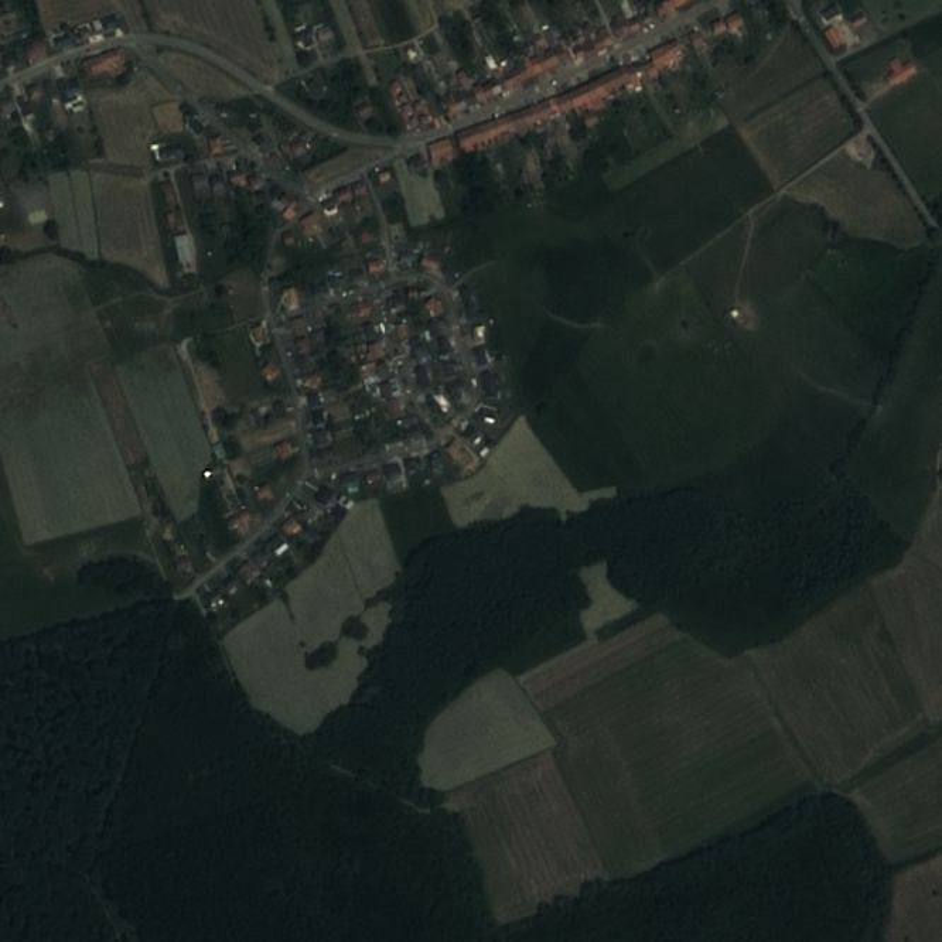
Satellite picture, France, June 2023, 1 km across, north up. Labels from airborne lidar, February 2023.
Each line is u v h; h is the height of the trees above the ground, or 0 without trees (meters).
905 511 0
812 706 0
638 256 0
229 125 0
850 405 0
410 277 0
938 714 0
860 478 0
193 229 0
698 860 17
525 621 26
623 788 0
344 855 7
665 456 0
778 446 0
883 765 0
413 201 0
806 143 0
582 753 0
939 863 0
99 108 0
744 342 0
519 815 0
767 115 0
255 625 0
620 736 0
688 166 0
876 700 0
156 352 0
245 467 0
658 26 0
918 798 0
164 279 0
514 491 0
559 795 0
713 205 0
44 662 26
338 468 0
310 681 0
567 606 23
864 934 16
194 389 0
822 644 0
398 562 0
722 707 0
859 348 0
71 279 0
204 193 0
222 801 14
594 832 0
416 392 0
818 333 0
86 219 0
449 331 0
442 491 0
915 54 0
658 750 0
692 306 0
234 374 0
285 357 0
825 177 0
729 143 0
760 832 15
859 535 23
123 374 0
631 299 0
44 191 0
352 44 0
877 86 0
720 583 0
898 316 0
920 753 0
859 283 0
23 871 27
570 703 0
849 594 0
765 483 0
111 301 0
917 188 0
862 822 18
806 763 0
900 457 0
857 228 0
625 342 0
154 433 0
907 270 0
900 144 0
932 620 0
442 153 0
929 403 0
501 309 0
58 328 0
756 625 0
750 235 0
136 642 27
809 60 0
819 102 0
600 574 0
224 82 0
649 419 0
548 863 0
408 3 0
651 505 17
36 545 0
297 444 0
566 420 0
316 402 0
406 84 0
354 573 0
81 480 0
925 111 0
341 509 0
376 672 15
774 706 0
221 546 0
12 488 0
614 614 0
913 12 0
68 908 31
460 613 27
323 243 0
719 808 0
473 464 0
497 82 0
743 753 0
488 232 0
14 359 0
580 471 0
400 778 18
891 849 0
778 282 0
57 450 0
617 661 0
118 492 0
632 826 0
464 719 0
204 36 0
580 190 0
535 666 0
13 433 0
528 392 0
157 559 0
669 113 0
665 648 0
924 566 0
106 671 27
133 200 0
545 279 0
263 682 0
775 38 0
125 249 0
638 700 0
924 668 0
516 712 0
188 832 20
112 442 0
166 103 0
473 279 0
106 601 0
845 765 0
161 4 0
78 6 0
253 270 0
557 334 0
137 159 0
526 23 0
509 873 0
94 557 0
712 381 0
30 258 0
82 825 21
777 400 0
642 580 24
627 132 0
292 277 7
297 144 0
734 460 0
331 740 17
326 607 0
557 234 0
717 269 0
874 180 0
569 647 0
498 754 0
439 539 14
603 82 0
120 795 12
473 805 0
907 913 0
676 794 0
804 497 0
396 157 0
